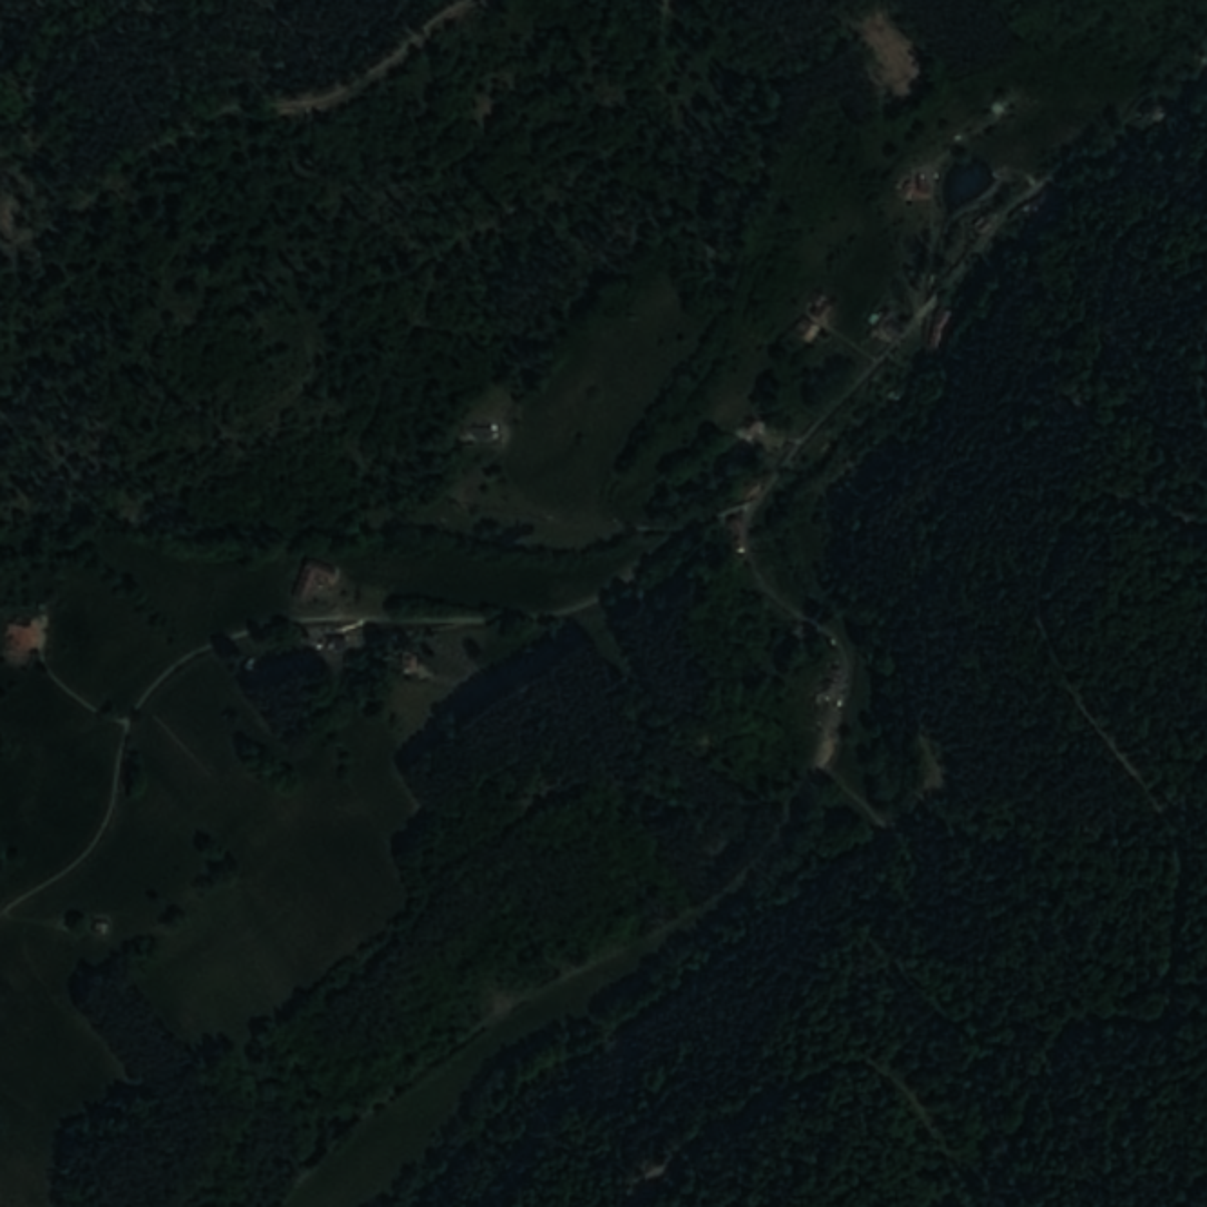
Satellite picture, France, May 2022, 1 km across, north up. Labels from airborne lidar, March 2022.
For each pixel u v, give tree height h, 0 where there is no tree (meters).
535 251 38
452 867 18
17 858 11
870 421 16
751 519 0
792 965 29
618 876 19
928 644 32
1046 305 33
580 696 33
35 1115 0
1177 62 13
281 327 0
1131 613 27
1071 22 28
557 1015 0
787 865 23
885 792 24
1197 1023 33
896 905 31
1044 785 26
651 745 26
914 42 28
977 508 20
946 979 32
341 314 20
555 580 0
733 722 26
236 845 0
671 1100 27
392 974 24
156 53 25
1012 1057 30
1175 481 28
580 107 12
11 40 29
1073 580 22
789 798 10
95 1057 0
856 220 0
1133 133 0
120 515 8
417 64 12
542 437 0
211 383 14
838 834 28
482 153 9
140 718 12
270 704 26
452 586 0
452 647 0
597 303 23
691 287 11
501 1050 0
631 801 25
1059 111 0
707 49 26
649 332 0
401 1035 22
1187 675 24
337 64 27
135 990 28
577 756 17
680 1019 29
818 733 0
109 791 0
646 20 17
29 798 0
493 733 29
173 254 13
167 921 14
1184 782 25
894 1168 29
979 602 22
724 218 36
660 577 9
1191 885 16
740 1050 27
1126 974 33
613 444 0
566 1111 26
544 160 16
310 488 12
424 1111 0
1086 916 29
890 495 26
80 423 24
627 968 0
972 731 27
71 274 6
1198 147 24
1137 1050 32
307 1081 20
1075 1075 29
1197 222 26
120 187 0
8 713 0
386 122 10
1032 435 27
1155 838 23
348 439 8
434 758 24
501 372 35
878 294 0
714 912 0
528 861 19
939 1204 0
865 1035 27
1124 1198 26
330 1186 0
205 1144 22
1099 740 27
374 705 15
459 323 12
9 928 0
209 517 10
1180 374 29
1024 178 0
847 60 32
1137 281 24
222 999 0
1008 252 17
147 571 0
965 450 26
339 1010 15
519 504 0
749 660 14
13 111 38
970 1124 36
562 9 16
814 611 23
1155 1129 27
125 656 0
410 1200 13
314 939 0
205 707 0
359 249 10
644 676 29
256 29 23
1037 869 27
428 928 23
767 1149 29
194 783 0
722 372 8
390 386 17
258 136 24
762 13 25
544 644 0
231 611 0
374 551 6
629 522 0
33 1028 0
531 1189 28
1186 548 31
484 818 17
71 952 0
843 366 19
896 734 29
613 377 0
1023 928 25
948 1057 33
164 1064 26
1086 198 22
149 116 28
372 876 0
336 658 0
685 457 15
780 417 19
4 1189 0
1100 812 25
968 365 25
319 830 0
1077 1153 25
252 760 18
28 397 33
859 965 26
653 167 22
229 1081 25
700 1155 28
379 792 0
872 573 26
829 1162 27
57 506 36
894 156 16
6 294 15
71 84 29
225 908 0
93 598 0
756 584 0
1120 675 24
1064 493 24
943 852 27
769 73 20
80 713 0
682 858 30
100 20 23
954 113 0
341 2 29
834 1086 28
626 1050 30
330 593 0
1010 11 26
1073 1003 33
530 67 11
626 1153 27
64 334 14
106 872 0
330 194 12
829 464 9
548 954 23
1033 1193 30
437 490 29
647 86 17
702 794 31
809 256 0
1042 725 26
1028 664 25
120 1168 25
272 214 12
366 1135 0
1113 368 29
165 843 0
